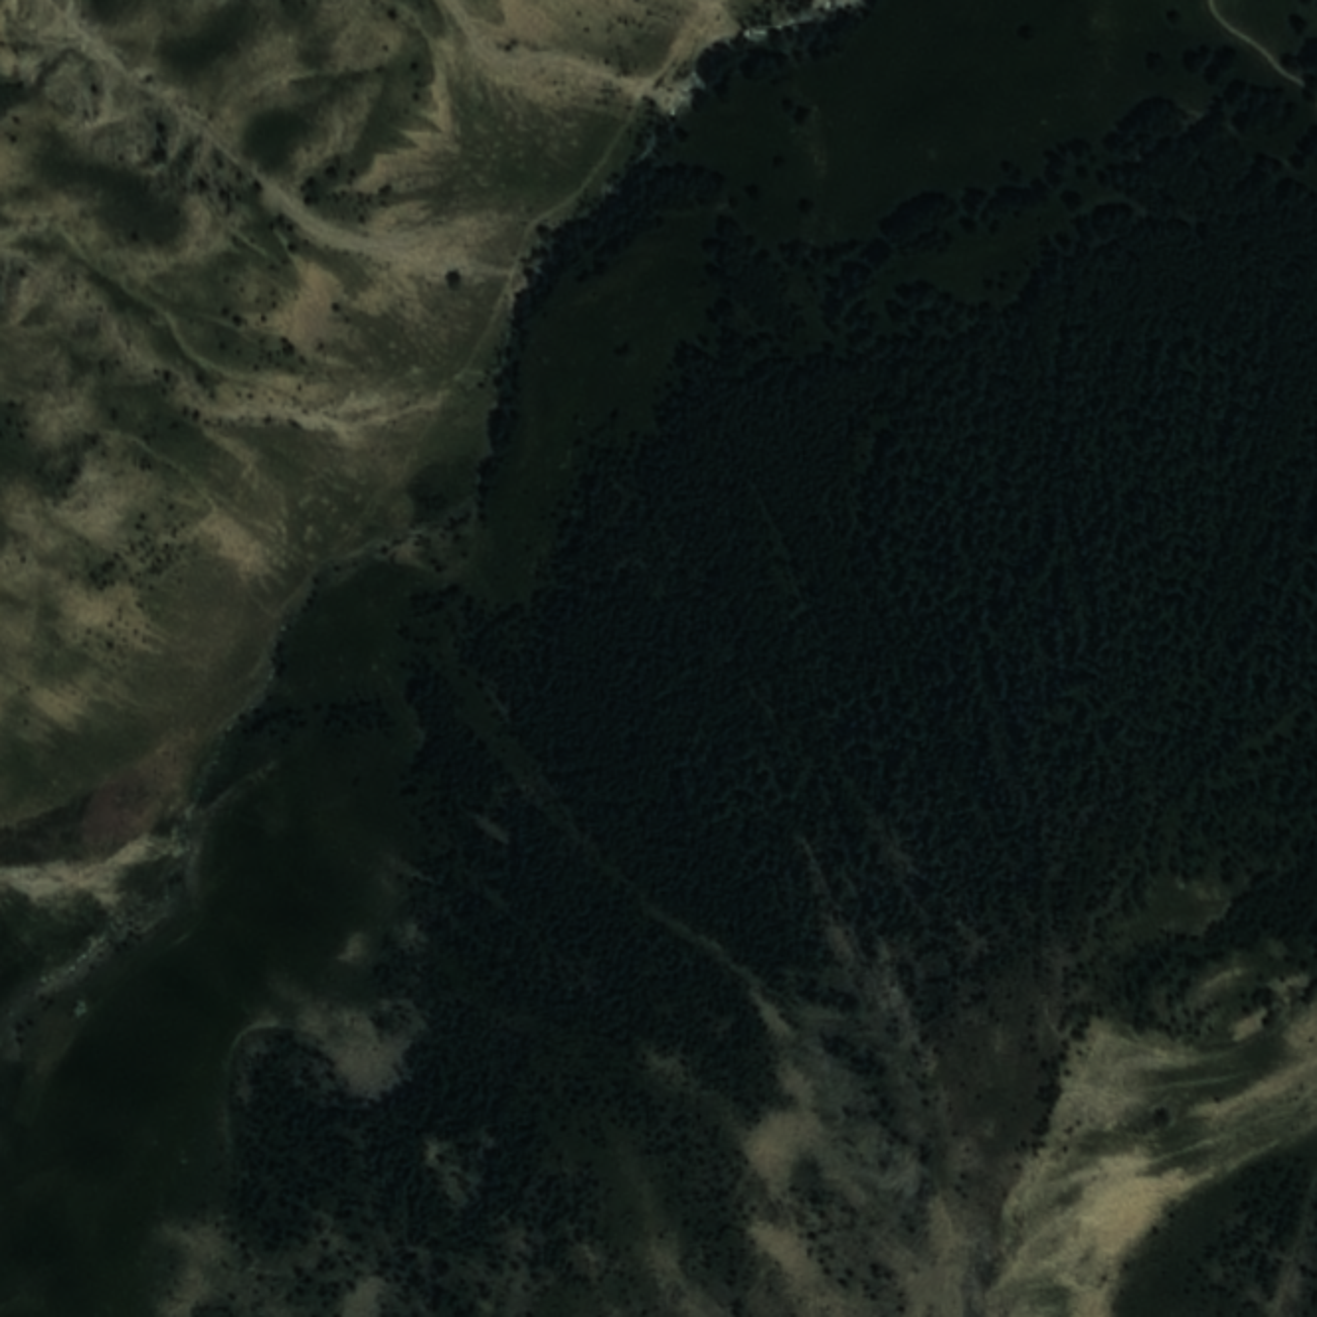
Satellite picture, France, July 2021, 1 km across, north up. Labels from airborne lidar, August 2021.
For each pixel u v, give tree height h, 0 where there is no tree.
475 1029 7
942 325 15
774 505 17
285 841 0
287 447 0
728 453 15
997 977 7
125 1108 0
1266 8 0
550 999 6
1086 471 21
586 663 16
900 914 10
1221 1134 0
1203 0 0
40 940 0
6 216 0
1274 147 0
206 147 0
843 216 0
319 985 0
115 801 0
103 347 0
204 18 0
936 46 0
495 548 0
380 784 0
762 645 13
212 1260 0
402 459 0
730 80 20
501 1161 9
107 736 0
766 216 0
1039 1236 0
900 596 10
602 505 16
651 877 13
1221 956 10
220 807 0
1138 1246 0
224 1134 0
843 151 0
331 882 0
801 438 18
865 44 0
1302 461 17
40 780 0
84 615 0
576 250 16
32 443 0
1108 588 13
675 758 11
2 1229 0
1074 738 11
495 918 13
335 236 0
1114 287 22
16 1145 0
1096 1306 0
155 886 0
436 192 0
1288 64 16
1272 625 17
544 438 0
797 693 12
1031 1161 0
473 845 14
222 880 0
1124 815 8
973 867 8
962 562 20
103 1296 0
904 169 0
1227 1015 0
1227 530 16
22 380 0
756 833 9
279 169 0
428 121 0
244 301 0
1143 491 20
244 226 0
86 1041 0
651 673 15
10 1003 0
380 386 0
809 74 0
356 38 0
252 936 0
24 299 0
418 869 7
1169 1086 0
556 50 0
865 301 18
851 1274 7
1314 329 14
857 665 14
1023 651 9
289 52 0
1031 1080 0
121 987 0
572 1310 0
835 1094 0
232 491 0
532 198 0
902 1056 0
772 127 0
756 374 15
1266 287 15
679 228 0
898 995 0
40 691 0
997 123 0
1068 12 0
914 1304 0
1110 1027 0
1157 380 20
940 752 7
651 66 0
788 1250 0
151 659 0
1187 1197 0
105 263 0
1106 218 17
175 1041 0
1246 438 20
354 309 0
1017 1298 0
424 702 14
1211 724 16
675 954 8
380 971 7
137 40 0
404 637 7
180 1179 0
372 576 0
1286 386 17
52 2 0
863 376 18
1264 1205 8
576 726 17
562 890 14
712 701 15
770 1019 0
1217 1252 8
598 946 13
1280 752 20
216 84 0
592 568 15
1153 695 14
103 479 0
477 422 0
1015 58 0
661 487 16
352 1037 0
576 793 15
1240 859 9
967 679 18
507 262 0
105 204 0
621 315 0
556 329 0
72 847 0
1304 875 14
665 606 8
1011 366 20
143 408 0
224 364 0
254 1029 0
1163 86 0
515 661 8
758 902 11
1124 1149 0
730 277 20
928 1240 0
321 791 0
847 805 13
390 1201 6
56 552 0
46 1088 0
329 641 0
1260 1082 0
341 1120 7
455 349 0
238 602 0
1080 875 9
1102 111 0
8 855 0
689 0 0
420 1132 8
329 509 0
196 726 0
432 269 0
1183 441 20
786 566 12
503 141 0
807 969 7
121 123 0
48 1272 0
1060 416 15
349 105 0
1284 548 15
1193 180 23
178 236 0
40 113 0
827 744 8
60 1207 0
